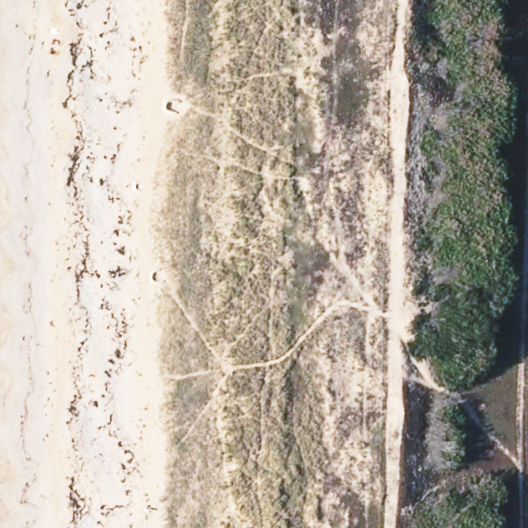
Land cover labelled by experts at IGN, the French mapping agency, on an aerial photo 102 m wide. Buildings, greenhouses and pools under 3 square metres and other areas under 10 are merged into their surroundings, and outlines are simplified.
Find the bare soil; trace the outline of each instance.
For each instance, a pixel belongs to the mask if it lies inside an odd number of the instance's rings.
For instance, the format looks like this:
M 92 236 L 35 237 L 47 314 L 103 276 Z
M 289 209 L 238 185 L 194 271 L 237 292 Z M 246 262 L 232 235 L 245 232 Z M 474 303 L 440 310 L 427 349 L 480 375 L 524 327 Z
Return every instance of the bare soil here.
M 429 429 L 431 390 L 423 384 L 402 382 L 404 427 L 398 501 L 402 505 L 413 505 L 423 497 L 423 491 L 427 487 L 439 481 L 439 474 L 433 468 L 433 464 L 425 460 L 425 435 Z
M 369 229 L 361 196 L 363 179 L 377 177 L 382 173 L 386 184 L 394 184 L 390 80 L 380 72 L 380 68 L 371 68 L 371 62 L 363 58 L 363 50 L 357 39 L 357 29 L 361 23 L 359 14 L 365 8 L 365 0 L 0 0 L 0 528 L 386 528 L 386 423 L 390 396 L 388 320 L 377 318 L 373 324 L 371 347 L 380 351 L 377 359 L 365 353 L 367 311 L 351 307 L 347 314 L 334 314 L 326 318 L 320 326 L 309 316 L 320 285 L 324 283 L 324 270 L 328 268 L 332 272 L 332 276 L 336 278 L 336 291 L 340 291 L 347 285 L 347 276 L 336 268 L 338 258 L 347 258 L 347 264 L 353 268 L 357 266 L 357 260 L 365 256 L 363 250 L 369 237 Z
M 375 239 L 377 256 L 373 260 L 375 270 L 371 289 L 377 293 L 373 301 L 382 311 L 388 311 L 390 248 L 386 241 Z

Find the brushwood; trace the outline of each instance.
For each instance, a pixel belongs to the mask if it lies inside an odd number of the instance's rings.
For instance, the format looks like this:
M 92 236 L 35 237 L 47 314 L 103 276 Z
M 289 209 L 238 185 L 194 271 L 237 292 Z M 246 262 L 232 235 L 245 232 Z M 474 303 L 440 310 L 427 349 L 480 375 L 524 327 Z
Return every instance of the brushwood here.
M 514 295 L 514 285 L 518 281 L 512 264 L 507 262 L 518 237 L 509 223 L 512 204 L 503 198 L 507 171 L 501 159 L 497 157 L 497 146 L 501 142 L 512 140 L 514 136 L 518 97 L 514 87 L 507 89 L 505 76 L 495 66 L 499 60 L 495 39 L 501 23 L 501 8 L 495 0 L 410 0 L 410 33 L 404 41 L 404 72 L 408 76 L 408 124 L 404 151 L 406 194 L 402 225 L 404 233 L 410 237 L 406 250 L 406 278 L 415 285 L 413 293 L 419 316 L 413 320 L 415 338 L 406 347 L 402 347 L 402 353 L 408 353 L 421 361 L 429 361 L 437 384 L 446 386 L 443 392 L 431 390 L 429 429 L 425 435 L 425 460 L 433 464 L 433 468 L 439 474 L 439 481 L 427 487 L 423 491 L 423 497 L 413 505 L 402 505 L 398 501 L 396 528 L 501 528 L 503 516 L 499 514 L 499 509 L 505 497 L 503 483 L 493 481 L 479 464 L 472 464 L 462 472 L 458 470 L 456 464 L 464 456 L 464 448 L 460 448 L 458 443 L 464 439 L 464 435 L 450 425 L 452 406 L 462 404 L 460 392 L 454 390 L 460 384 L 470 384 L 481 371 L 485 371 L 487 363 L 493 361 L 497 355 L 495 342 L 483 349 L 483 340 L 491 336 L 489 324 L 495 316 L 503 314 L 505 305 Z

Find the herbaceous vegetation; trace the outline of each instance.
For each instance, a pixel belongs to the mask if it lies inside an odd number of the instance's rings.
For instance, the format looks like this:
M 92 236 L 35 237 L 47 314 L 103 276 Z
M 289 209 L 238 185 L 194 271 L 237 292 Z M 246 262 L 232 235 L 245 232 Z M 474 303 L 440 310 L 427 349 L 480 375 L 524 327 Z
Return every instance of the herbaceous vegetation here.
M 499 60 L 495 66 L 505 76 L 507 89 L 514 87 L 518 97 L 514 136 L 512 140 L 501 142 L 497 146 L 497 157 L 501 159 L 507 171 L 503 198 L 512 204 L 509 223 L 518 237 L 507 262 L 512 264 L 518 281 L 514 285 L 514 295 L 505 305 L 503 314 L 495 316 L 489 324 L 491 336 L 483 340 L 483 349 L 495 342 L 497 355 L 493 361 L 487 363 L 485 371 L 481 371 L 470 384 L 460 384 L 454 390 L 460 392 L 462 404 L 452 406 L 450 425 L 464 435 L 464 439 L 458 443 L 460 448 L 464 448 L 464 456 L 456 464 L 458 470 L 462 472 L 472 464 L 479 464 L 493 481 L 503 483 L 505 497 L 499 509 L 499 514 L 503 516 L 501 528 L 528 528 L 528 0 L 495 0 L 501 8 L 501 23 L 495 39 Z M 526 365 L 522 470 L 518 470 L 495 448 L 497 441 L 503 441 L 509 450 L 518 443 L 518 363 Z

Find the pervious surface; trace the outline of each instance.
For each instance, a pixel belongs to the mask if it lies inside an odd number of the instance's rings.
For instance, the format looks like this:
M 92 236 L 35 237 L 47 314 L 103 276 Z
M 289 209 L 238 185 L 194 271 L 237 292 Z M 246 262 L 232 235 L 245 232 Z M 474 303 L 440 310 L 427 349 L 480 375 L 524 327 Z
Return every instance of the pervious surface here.
M 415 285 L 406 278 L 406 250 L 410 237 L 404 233 L 402 225 L 406 194 L 404 151 L 408 124 L 408 76 L 404 72 L 404 41 L 410 33 L 410 0 L 365 0 L 365 8 L 359 14 L 361 23 L 357 29 L 357 39 L 363 50 L 363 58 L 371 62 L 371 68 L 380 68 L 380 72 L 390 80 L 394 184 L 386 184 L 382 173 L 377 177 L 363 179 L 361 196 L 369 229 L 369 237 L 363 250 L 365 256 L 357 260 L 357 266 L 353 268 L 347 264 L 347 258 L 338 258 L 336 268 L 347 276 L 347 285 L 340 291 L 336 291 L 336 278 L 332 276 L 332 272 L 328 268 L 324 270 L 324 283 L 320 285 L 309 316 L 320 326 L 326 318 L 334 314 L 347 314 L 351 307 L 367 311 L 365 353 L 377 359 L 380 351 L 371 347 L 373 324 L 377 318 L 388 320 L 390 396 L 386 423 L 386 528 L 396 528 L 398 501 L 404 427 L 402 382 L 423 384 L 431 390 L 443 392 L 446 386 L 437 384 L 429 361 L 421 361 L 408 353 L 402 353 L 402 347 L 406 347 L 415 338 L 413 320 L 419 316 L 413 293 Z M 390 248 L 388 311 L 382 311 L 373 301 L 377 293 L 371 289 L 375 270 L 373 260 L 377 256 L 375 239 L 386 241 Z
M 497 441 L 495 448 L 518 470 L 522 470 L 526 365 L 518 363 L 518 443 L 509 450 L 503 441 Z

